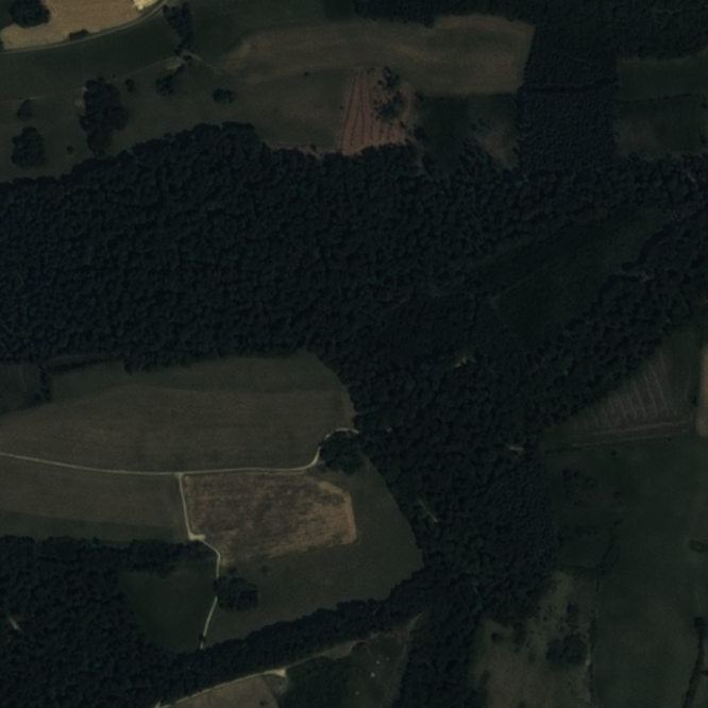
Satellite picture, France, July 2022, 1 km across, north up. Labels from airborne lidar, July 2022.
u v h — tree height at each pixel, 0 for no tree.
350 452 11
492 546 28
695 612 0
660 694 0
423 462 25
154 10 0
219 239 31
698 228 23
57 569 22
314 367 0
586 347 22
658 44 26
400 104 22
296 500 0
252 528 0
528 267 6
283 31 0
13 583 25
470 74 0
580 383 29
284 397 0
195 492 0
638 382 0
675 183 29
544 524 23
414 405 23
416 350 6
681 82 0
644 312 25
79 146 0
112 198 30
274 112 0
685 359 0
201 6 0
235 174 30
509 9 27
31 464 0
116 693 31
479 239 21
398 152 16
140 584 0
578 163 20
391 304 30
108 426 0
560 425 21
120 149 0
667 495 0
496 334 17
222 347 25
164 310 28
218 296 32
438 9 25
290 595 0
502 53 0
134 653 27
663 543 0
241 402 0
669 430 0
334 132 0
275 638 27
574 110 26
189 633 0
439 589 15
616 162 21
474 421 33
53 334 29
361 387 24
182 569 0
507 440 30
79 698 26
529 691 0
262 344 7
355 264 27
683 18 11
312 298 24
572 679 0
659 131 0
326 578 0
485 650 0
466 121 0
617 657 0
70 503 0
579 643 7
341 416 0
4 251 31
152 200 30
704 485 0
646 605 0
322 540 0
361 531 0
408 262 28
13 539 17
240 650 21
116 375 0
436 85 0
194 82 0
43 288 30
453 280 28
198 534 0
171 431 0
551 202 31
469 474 29
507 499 29
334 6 0
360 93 0
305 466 0
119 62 0
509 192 30
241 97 0
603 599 0
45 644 25
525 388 23
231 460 0
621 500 16
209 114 0
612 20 13
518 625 11
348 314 6
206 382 0
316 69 0
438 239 29
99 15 0
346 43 0
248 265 26
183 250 29
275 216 31
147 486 0
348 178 26
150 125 0
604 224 8
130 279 29
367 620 23
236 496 0
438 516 7
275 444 0
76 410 0
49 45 0
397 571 0
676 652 0
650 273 22
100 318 30
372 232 28
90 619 24
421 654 21
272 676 0
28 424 0
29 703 17
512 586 28
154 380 0
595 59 9
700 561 0
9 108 0
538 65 10
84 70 0
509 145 0
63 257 32
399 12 19
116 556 17
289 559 0
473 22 0
